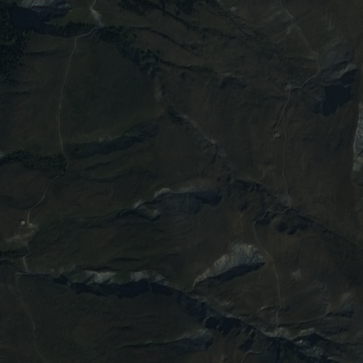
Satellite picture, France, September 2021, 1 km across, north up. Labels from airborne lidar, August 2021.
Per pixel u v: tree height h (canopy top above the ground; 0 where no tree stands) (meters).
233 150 0
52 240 0
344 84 0
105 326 0
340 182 0
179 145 0
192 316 0
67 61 0
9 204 0
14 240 0
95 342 0
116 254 0
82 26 6
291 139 0
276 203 0
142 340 0
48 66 0
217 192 0
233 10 0
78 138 0
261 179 0
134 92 0
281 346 0
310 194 0
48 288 0
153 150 0
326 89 0
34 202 0
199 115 0
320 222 0
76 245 0
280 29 0
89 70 0
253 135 0
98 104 0
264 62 0
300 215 0
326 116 0
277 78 0
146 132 0
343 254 0
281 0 0
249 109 0
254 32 0
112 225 0
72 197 0
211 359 0
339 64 0
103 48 0
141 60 0
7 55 7
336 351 0
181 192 0
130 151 0
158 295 0
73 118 0
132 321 0
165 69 0
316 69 0
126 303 0
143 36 0
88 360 0
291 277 0
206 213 0
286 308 0
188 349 0
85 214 0
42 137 0
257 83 0
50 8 0
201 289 0
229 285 0
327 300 0
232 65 0
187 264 0
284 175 0
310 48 0
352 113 0
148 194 0
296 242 0
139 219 0
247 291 0
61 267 0
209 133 0
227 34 0
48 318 0
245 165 0
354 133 0
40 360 0
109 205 0
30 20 0
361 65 0
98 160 0
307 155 0
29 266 0
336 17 0
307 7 0
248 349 0
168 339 0
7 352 0
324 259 0
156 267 0
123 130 0
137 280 0
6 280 0
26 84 0
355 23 0
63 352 0
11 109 0
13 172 0
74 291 0
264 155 0
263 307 0
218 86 0
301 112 0
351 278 0
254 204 0
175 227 0
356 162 0
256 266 0
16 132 0
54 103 0
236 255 0
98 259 0
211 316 0
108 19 0
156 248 0
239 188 0
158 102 0
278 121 0
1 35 12
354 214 0
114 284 0
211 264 0
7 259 0
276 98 0
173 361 0
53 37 0
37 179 0
